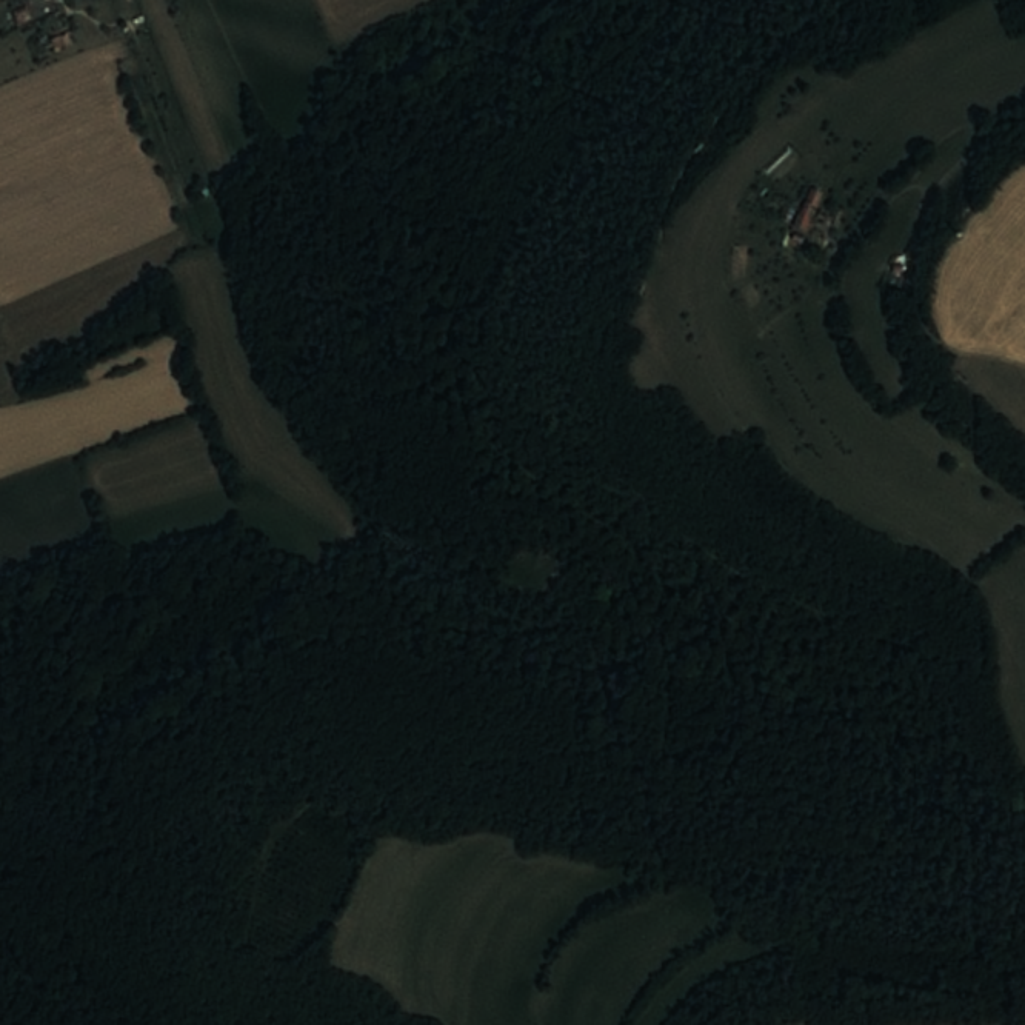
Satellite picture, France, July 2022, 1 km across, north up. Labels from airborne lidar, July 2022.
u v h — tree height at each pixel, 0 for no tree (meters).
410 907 0
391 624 28
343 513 0
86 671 35
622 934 0
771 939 14
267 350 21
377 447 24
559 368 15
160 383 0
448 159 16
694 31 23
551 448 25
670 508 18
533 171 13
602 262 15
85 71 0
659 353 0
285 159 23
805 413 0
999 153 23
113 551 27
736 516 16
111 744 30
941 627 20
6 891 35
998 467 21
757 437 15
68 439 0
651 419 17
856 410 0
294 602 38
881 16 24
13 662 20
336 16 0
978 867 28
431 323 30
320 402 26
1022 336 0
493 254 14
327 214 29
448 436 23
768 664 28
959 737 19
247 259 25
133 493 0
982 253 0
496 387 23
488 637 24
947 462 17
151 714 35
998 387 0
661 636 25
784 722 30
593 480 23
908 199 0
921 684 21
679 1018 19
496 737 26
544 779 26
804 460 0
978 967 14
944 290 0
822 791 29
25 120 0
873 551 16
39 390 15
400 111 20
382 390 22
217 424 22
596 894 0
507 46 14
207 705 24
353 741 25
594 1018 0
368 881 0
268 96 0
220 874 20
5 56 0
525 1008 0
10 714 22
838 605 20
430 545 30
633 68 13
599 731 34
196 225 0
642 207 16
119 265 0
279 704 27
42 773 30
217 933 13
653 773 33
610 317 12
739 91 15
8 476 0
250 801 21
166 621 30
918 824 29
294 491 0
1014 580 0
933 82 0
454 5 9
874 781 32
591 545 24
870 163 0
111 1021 29
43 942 30
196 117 0
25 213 0
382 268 22
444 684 33
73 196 0
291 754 21
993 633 20
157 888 21
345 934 0
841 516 14
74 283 0
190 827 23
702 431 15
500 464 19
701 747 19
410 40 15
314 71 0
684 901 0
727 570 19
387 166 26
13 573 25
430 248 24
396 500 31
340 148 29
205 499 0
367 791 19
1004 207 0
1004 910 30
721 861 21
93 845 25
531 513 26
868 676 27
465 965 0
